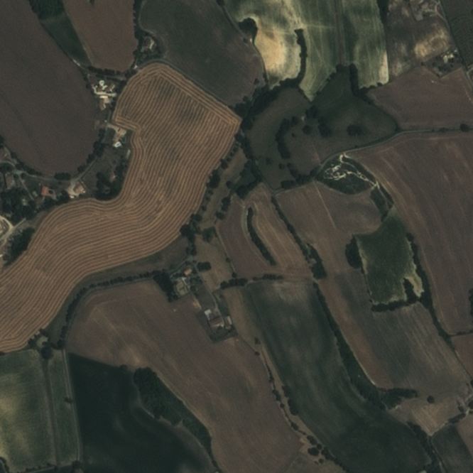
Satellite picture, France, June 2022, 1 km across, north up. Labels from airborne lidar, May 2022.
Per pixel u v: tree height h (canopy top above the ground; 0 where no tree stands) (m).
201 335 0
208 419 0
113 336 0
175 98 0
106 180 13
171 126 0
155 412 8
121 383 0
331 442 0
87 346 0
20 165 12
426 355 0
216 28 0
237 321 0
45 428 0
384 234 0
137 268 0
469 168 0
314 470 0
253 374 0
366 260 0
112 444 0
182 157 0
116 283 12
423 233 0
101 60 0
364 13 0
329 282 0
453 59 8
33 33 0
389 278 0
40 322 0
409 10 0
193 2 0
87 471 12
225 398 0
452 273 0
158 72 0
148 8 0
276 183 0
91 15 0
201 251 0
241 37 0
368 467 0
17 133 0
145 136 0
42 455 0
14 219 12
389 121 0
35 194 0
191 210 0
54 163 0
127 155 0
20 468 0
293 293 0
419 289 0
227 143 0
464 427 0
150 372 10
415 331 0
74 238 0
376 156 0
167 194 0
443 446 0
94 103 0
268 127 0
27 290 0
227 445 0
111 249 0
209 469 0
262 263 0
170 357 0
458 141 0
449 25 6
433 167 0
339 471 0
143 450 0
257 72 0
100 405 0
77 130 0
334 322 11
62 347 14
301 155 0
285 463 0
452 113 0
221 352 0
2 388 0
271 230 0
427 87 0
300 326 0
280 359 0
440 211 0
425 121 0
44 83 0
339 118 0
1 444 0
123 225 0
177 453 0
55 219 0
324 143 0
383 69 0
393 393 11
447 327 0
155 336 0
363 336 0
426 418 0
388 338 0
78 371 0
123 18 0
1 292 0
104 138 9
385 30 0
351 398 0
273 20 0
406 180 0
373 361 0
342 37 0
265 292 0
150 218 0
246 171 13
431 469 10
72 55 0
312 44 0
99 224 0
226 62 0
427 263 0
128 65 0
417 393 7
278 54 0
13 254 8
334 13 0
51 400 0
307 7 0
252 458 0
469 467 0
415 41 0
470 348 0
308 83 0
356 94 14
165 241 0
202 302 0
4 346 0
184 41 0
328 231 0
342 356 8
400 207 0
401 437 0
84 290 8
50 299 0
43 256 0
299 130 0
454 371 0
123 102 0
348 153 0
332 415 0
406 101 0
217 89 0
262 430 0
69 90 0
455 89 0
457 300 0
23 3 0
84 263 0
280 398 13
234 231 0
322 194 0
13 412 0
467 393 0
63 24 0
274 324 0
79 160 0
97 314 0
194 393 0
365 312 0
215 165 0
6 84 0
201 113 0
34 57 0
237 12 0
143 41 7
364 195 0
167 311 0
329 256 0
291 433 0
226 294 0
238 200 0
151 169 0
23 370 0
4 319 0
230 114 0
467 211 0
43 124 0
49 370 0
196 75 0
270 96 17
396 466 0
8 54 0
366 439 0
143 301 0
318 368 0
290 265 0
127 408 0
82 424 0
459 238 0
